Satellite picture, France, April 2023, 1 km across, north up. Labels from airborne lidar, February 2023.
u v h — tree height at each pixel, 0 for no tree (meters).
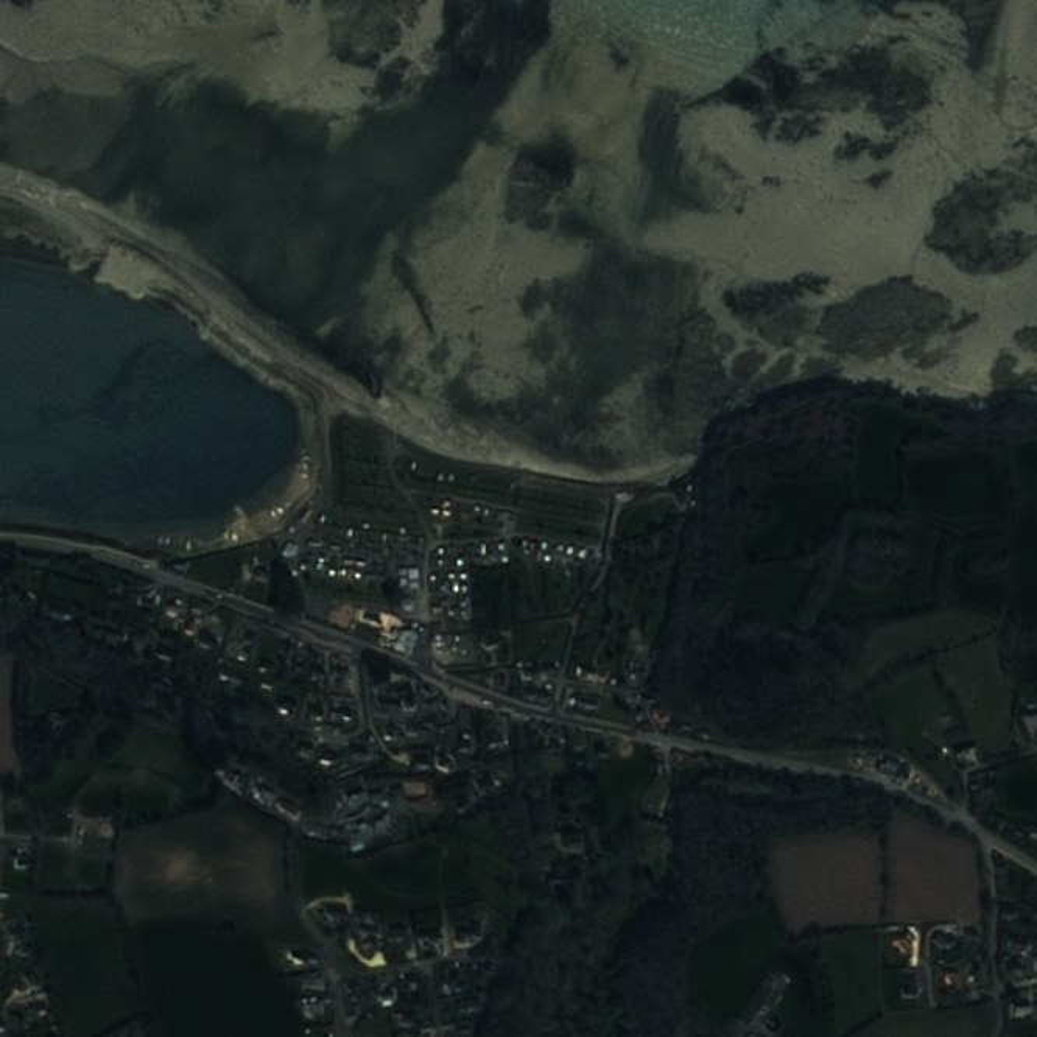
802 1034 0
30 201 0
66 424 0
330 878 0
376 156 0
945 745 0
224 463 0
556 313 0
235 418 0
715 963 0
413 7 0
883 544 11
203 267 0
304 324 0
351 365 0
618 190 0
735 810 18
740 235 0
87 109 0
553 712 0
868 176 0
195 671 0
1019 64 0
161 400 0
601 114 0
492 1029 21
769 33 0
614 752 0
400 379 0
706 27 0
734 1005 0
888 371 0
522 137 0
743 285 0
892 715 0
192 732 20
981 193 0
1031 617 0
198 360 0
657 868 0
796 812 21
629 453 0
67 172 0
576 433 0
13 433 0
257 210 0
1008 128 0
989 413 16
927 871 0
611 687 0
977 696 0
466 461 0
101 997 0
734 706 19
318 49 0
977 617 0
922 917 0
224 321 0
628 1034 22
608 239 0
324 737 0
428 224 0
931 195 0
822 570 16
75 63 0
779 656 21
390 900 0
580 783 17
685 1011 14
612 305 0
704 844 10
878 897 0
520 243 0
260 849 0
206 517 0
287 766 0
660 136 0
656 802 0
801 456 0
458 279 0
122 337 0
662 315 0
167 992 0
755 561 13
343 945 7
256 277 0
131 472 0
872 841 0
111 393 0
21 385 0
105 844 0
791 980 0
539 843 18
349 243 0
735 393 0
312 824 0
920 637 0
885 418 0
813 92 0
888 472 0
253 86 0
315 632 0
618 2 0
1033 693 0
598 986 21
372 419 0
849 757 0
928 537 0
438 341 0
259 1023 0
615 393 0
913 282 0
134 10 0
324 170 0
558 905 16
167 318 0
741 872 18
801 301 0
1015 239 0
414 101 0
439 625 0
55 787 0
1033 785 0
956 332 0
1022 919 0
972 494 0
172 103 0
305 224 0
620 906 14
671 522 8
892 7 0
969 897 0
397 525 0
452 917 0
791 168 0
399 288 0
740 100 0
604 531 7
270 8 0
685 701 17
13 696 11
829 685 16
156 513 0
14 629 12
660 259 0
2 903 0
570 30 0
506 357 0
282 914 0
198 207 0
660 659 20
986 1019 0
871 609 0
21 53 0
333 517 0
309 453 0
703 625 18
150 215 0
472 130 0
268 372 0
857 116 0
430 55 0
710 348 0
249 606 0
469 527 0
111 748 15
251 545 0
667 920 27
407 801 0
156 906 0
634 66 0
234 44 0
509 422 0
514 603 9
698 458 0
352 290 0
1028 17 0
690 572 12
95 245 0
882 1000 0
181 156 0
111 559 0
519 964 22
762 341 0
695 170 0
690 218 0
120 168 0
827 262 0
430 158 0
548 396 0
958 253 0
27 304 0
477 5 0
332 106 0
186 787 0
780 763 0
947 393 0
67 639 19
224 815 0
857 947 0
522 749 20
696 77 0
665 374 0
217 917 0
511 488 0
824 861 0
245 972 0
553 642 0
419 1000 6
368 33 0
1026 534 0
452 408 0
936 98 0
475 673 0
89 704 17
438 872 0
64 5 0
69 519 0
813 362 0
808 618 12
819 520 0
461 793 0
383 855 0
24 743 21
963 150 0
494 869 0
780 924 7
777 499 0
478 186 0
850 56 0
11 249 0
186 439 0
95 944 0
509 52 0
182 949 0
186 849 0
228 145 0
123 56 0
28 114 0
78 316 0
